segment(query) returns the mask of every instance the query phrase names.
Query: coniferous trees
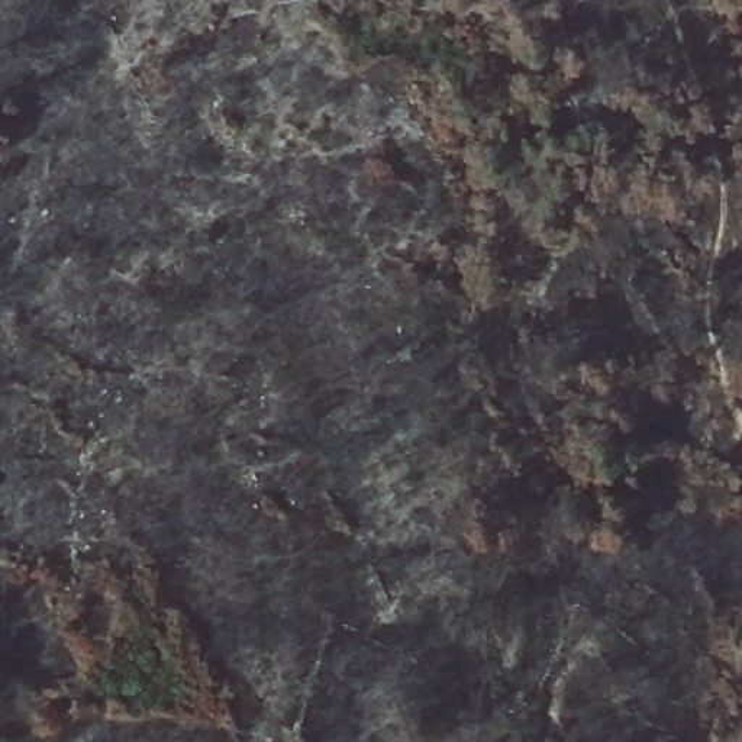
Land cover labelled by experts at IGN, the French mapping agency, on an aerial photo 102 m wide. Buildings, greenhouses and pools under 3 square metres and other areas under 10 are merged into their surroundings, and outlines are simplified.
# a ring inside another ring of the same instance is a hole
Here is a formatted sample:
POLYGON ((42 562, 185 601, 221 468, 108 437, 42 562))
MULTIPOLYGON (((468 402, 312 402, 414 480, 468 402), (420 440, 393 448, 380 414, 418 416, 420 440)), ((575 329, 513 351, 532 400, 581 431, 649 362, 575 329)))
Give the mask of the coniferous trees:
POLYGON ((14 704, 20 672, 9 670, 0 661, 0 742, 14 742, 29 730, 29 722, 17 713, 14 704))
POLYGON ((696 12, 722 14, 728 32, 739 29, 736 14, 742 12, 742 0, 696 0, 696 12))
POLYGON ((733 93, 713 93, 690 67, 690 58, 672 43, 652 38, 632 41, 623 29, 583 29, 583 23, 571 17, 568 9, 559 12, 559 17, 539 20, 539 38, 533 43, 542 67, 530 70, 513 61, 507 52, 490 49, 490 29, 481 14, 455 17, 452 12, 426 12, 426 0, 304 0, 310 9, 316 9, 325 26, 339 32, 345 61, 351 64, 371 55, 397 55, 420 72, 432 70, 432 64, 443 67, 446 78, 452 81, 458 99, 467 107, 470 130, 464 133, 464 145, 493 151, 493 188, 510 203, 510 209, 522 220, 525 235, 536 241, 542 249, 554 243, 562 229, 571 232, 574 220, 597 232, 594 214, 603 212, 649 206, 661 214, 661 220, 675 220, 675 212, 681 212, 696 194, 704 194, 713 186, 719 186, 719 220, 716 232, 707 235, 704 249, 716 255, 728 249, 742 249, 742 87, 736 87, 733 93))

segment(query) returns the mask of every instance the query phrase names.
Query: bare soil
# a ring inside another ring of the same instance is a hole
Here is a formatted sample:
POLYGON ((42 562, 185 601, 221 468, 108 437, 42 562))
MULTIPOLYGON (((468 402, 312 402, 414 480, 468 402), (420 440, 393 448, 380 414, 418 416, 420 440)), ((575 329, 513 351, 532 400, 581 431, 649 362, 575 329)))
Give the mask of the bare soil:
POLYGON ((632 41, 652 38, 672 43, 690 58, 690 67, 713 93, 733 93, 736 87, 742 87, 742 12, 736 14, 739 29, 728 32, 722 14, 696 12, 696 0, 426 0, 426 12, 452 12, 455 17, 481 14, 490 29, 490 49, 507 52, 513 61, 530 70, 542 67, 533 43, 539 38, 539 20, 559 17, 559 12, 568 9, 571 17, 583 23, 583 29, 623 29, 632 41))
POLYGON ((20 672, 14 704, 17 713, 29 722, 29 730, 14 742, 742 742, 742 249, 728 249, 716 255, 704 249, 707 235, 716 232, 719 220, 719 186, 713 186, 704 194, 696 194, 681 212, 675 212, 675 220, 661 220, 661 214, 649 206, 603 212, 594 214, 597 232, 574 220, 571 232, 562 229, 554 243, 542 249, 536 241, 525 235, 522 220, 510 209, 510 203, 493 188, 493 151, 464 145, 464 133, 470 130, 467 107, 458 99, 452 81, 446 78, 443 67, 432 64, 432 70, 420 72, 397 55, 371 55, 351 64, 345 61, 339 32, 325 26, 316 9, 310 9, 304 0, 0 0, 0 661, 9 670, 20 672), (130 623, 136 623, 136 612, 125 606, 119 594, 119 580, 125 585, 148 580, 154 585, 157 603, 180 612, 180 641, 197 641, 200 661, 206 664, 212 678, 212 693, 229 687, 232 699, 226 707, 235 722, 229 730, 186 728, 168 719, 128 725, 130 713, 119 701, 104 701, 101 696, 84 690, 84 681, 93 667, 87 638, 104 635, 107 626, 122 635, 130 623))

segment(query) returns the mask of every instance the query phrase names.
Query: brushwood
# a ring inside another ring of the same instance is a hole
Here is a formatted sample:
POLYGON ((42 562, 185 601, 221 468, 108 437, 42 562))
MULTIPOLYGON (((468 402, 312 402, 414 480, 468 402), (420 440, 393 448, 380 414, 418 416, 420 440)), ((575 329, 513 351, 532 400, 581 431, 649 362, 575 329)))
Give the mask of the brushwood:
POLYGON ((104 635, 87 638, 93 667, 84 681, 84 690, 101 696, 104 701, 119 701, 130 713, 128 725, 168 719, 186 728, 229 730, 235 722, 226 707, 232 699, 229 687, 212 693, 212 678, 206 664, 200 661, 197 641, 180 641, 180 612, 157 603, 154 585, 148 580, 125 585, 119 580, 119 594, 125 606, 136 612, 136 623, 130 623, 122 635, 107 626, 104 635))

